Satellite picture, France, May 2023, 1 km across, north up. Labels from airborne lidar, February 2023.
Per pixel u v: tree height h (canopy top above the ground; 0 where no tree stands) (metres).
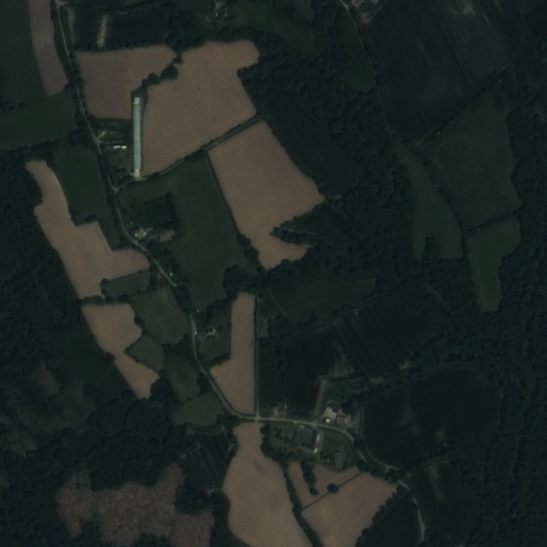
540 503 7
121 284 0
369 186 6
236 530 0
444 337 15
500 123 0
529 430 22
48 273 12
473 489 12
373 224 17
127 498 23
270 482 0
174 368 0
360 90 0
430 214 0
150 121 0
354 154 23
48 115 0
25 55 0
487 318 19
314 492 13
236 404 0
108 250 0
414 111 0
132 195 0
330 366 0
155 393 15
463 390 0
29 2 0
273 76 25
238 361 0
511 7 0
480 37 0
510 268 17
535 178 17
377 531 0
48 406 11
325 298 0
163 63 0
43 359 12
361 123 22
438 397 0
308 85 24
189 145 0
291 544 0
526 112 19
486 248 0
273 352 0
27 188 10
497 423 0
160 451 16
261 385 0
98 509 14
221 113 0
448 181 0
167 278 0
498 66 0
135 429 0
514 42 0
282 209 0
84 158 0
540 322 12
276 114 0
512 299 17
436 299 0
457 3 0
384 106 0
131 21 0
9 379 16
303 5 0
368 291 0
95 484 15
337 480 0
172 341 0
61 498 16
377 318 0
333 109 25
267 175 0
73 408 0
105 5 12
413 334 0
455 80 0
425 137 0
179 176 0
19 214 12
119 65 0
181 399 0
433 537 14
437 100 0
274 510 0
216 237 0
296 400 0
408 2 0
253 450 0
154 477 18
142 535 15
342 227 0
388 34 0
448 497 0
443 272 22
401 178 19
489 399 0
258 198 0
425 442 0
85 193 0
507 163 0
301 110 0
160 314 0
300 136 0
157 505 16
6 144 0
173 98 0
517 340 19
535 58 0
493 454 21
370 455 0
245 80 13
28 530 7
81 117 12
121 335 0
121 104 0
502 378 27
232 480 0
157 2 10
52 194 0
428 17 0
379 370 0
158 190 0
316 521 0
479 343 20
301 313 0
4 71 0
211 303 0
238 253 0
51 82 0
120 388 0
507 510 21
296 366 0
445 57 0
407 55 0
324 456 8
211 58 0
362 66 0
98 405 8
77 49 11
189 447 7
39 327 8
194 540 21
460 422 0
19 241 10
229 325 8
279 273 21
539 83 0
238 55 0
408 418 0
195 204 0
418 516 0
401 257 18
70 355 0
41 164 0
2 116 0
